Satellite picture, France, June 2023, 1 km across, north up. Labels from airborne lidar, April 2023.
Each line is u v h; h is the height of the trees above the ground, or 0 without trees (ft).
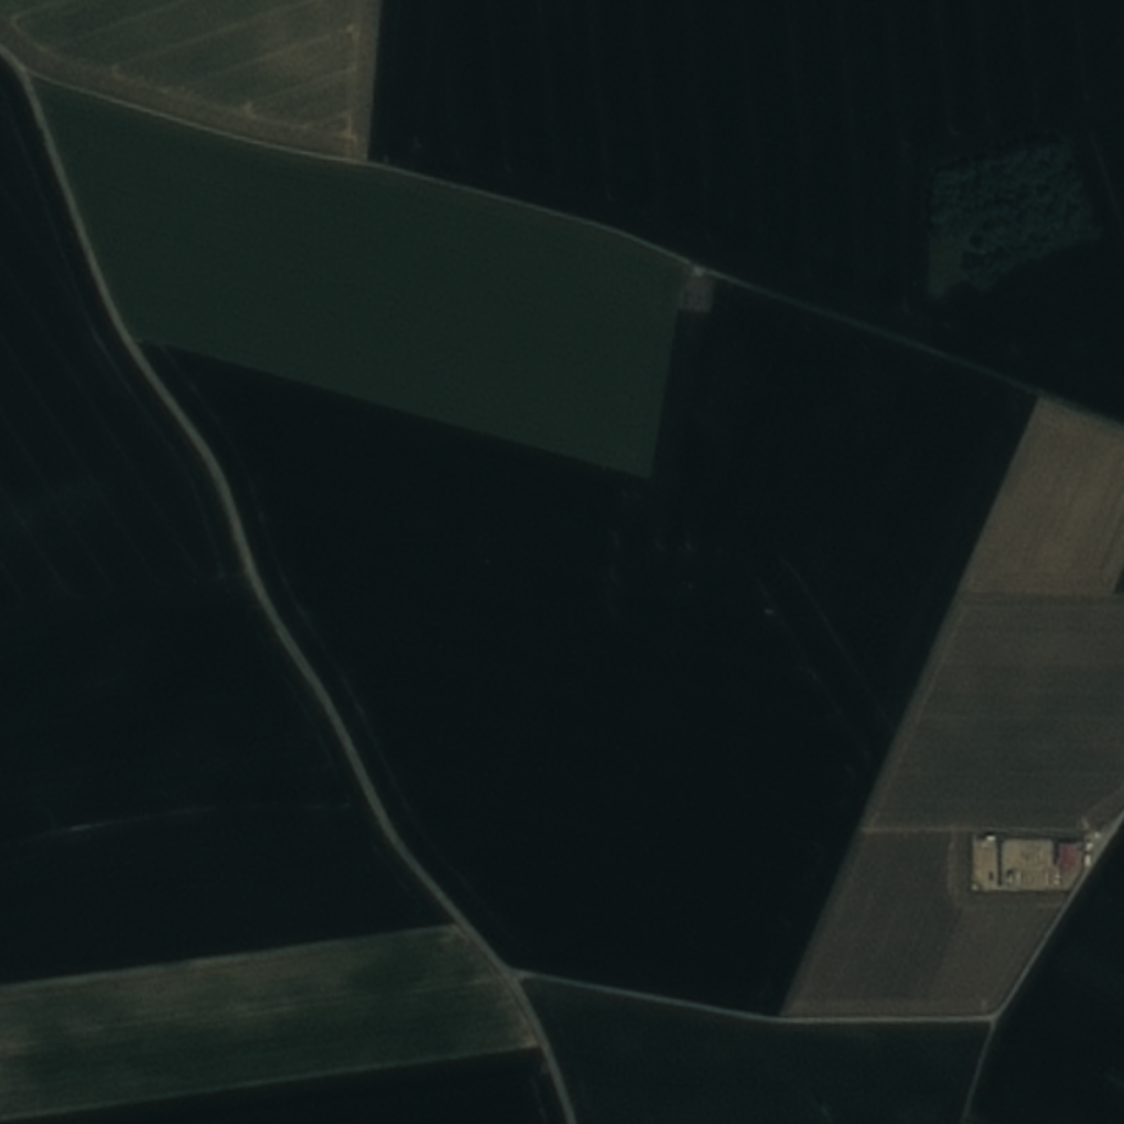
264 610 0
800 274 0
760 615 0
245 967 0
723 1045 0
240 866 0
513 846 0
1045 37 0
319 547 0
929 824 0
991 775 0
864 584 0
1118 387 0
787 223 0
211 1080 0
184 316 0
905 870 0
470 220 0
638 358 0
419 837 0
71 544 0
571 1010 0
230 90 0
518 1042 0
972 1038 0
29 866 0
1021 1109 0
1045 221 59
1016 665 0
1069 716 0
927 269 0
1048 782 0
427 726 0
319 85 0
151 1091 0
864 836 0
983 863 0
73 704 0
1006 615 0
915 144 0
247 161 0
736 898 0
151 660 0
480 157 0
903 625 0
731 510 0
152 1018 0
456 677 0
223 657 0
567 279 0
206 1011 0
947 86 0
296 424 0
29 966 0
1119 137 0
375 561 0
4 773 0
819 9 0
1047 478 0
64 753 0
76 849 0
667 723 0
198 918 0
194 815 0
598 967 0
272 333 0
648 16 0
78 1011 0
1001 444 0
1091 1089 0
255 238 0
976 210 57
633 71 0
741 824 0
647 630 0
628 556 0
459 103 0
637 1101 0
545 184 0
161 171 0
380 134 0
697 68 0
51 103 0
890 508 0
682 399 0
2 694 0
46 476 0
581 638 0
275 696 0
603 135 0
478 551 0
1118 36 0
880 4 0
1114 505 0
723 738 0
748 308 0
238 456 0
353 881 0
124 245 0
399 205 0
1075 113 0
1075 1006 0
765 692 0
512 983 0
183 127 0
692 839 0
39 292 0
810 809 0
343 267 0
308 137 0
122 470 0
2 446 0
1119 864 0
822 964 0
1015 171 61
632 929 0
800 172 0
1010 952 0
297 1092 0
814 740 0
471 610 0
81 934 0
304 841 0
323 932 0
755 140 0
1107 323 0
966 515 0
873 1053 0
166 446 0
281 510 0
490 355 0
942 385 0
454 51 0
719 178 0
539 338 0
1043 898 0
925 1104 0
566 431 0
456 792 0
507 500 0
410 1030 0
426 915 0
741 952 0
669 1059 0
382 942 0
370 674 0
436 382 0
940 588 0
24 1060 0
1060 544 0
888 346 0
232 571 0
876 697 0
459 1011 0
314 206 0
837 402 0
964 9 0
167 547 0
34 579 0
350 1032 0
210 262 0
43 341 0
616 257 0
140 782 0
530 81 0
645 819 0
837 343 0
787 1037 0
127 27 0
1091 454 0
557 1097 0
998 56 0
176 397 0
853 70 0
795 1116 0
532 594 0
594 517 0
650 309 0
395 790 0
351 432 0
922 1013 0
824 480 0
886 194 0
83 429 0
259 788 0
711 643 0
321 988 0
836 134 0
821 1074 0
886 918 0
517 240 0
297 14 0
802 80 0
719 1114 0
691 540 0
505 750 0
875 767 0
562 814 0
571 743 0
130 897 0
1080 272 0
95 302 0
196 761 0
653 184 0
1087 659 0
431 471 0
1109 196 0
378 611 0
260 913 0
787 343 0
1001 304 0
